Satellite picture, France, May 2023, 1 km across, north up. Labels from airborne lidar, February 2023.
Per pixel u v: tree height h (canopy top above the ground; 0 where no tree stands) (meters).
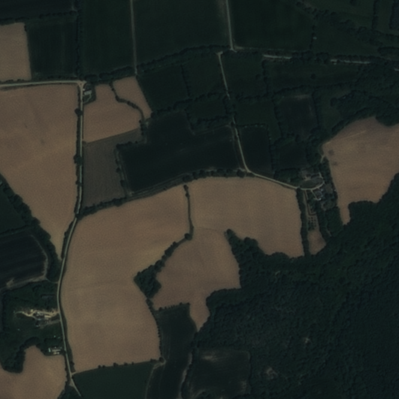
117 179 0
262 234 0
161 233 0
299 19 0
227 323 17
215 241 0
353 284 8
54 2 0
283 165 0
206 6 0
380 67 18
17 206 14
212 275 0
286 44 0
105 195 0
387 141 0
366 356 18
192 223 7
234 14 0
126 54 0
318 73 0
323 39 0
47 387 0
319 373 15
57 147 0
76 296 0
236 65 0
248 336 12
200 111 0
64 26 0
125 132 0
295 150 0
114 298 0
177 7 0
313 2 0
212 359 0
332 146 0
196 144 0
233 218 0
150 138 0
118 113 0
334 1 0
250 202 0
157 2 0
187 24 0
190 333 0
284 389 20
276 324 14
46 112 0
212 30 0
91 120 0
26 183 0
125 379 0
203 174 15
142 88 0
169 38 0
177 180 7
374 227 16
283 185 0
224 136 0
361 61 14
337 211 11
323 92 7
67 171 0
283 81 0
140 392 0
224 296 15
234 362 0
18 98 0
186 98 0
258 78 14
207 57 12
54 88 0
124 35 0
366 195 0
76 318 0
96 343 0
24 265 0
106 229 0
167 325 0
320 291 18
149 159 0
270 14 0
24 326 0
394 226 17
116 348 0
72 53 0
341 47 0
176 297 0
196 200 0
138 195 8
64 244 7
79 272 0
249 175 9
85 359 0
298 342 17
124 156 0
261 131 0
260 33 0
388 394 18
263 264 16
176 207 0
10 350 0
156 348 0
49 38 0
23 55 0
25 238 0
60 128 0
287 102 0
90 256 0
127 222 0
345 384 17
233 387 0
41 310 0
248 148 0
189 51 19
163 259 9
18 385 0
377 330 14
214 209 0
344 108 16
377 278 16
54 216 0
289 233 0
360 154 0
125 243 0
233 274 0
